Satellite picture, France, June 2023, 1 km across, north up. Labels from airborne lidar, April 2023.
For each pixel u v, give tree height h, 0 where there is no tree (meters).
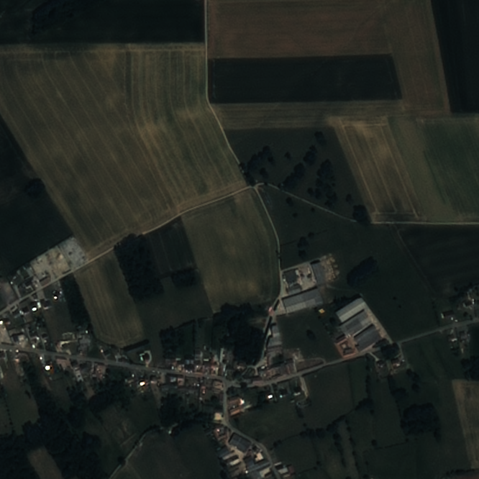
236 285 0
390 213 0
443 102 0
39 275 0
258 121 0
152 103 0
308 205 0
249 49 0
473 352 0
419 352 0
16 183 0
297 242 0
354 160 0
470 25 0
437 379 0
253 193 0
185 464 0
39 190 16
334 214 0
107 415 0
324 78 0
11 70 0
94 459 20
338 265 0
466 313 8
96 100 0
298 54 0
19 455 24
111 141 0
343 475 0
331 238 0
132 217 0
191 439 0
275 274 0
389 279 0
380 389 0
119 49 0
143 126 0
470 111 0
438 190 0
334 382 0
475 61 0
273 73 0
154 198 0
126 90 0
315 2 0
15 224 0
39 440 32
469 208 0
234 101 0
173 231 0
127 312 0
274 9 0
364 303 0
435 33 0
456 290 10
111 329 0
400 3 0
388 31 0
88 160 0
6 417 0
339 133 0
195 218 0
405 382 0
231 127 0
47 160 0
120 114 0
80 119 0
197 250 0
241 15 0
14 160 0
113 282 0
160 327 0
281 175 0
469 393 0
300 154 0
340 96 0
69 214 0
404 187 0
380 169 0
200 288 0
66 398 0
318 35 0
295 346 0
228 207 0
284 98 0
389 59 0
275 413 0
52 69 0
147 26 0
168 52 0
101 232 0
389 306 0
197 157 0
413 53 0
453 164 0
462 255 0
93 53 0
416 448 0
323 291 0
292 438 0
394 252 0
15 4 0
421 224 0
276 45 0
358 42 0
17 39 0
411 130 0
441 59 0
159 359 0
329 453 0
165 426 9
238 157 0
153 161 0
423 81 0
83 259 0
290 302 0
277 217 0
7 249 0
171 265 0
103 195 0
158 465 0
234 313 18
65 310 0
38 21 18
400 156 0
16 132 0
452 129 0
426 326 0
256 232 0
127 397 6
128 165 0
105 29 0
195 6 0
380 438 0
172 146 0
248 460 0
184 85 0
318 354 0
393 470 0
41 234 0
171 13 0
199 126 0
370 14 0
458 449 0
